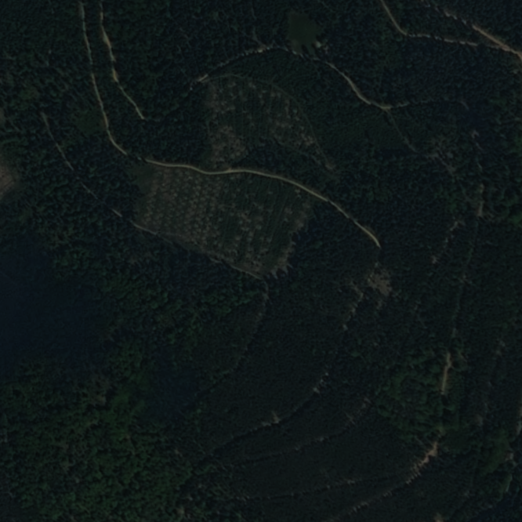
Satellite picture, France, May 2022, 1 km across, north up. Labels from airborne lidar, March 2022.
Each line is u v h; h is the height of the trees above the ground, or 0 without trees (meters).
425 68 32
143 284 21
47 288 12
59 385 16
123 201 23
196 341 15
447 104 29
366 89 31
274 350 19
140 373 19
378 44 29
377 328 24
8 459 17
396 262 23
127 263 20
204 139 11
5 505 17
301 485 16
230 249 0
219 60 12
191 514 26
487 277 25
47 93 21
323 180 5
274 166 31
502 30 7
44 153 9
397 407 29
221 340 22
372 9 12
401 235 25
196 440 26
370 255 24
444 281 17
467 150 10
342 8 10
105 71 13
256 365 22
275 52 12
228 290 25
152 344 23
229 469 26
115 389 22
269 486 18
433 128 10
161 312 27
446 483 22
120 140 20
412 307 21
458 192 30
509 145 34
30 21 14
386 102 13
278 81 8
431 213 23
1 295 0
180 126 10
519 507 21
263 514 21
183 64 21
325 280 21
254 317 20
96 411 20
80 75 11
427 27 7
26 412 23
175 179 0
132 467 26
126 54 21
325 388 25
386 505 20
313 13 12
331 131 8
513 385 25
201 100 12
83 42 8
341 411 24
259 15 17
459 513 19
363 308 26
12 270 0
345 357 25
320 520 19
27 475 20
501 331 18
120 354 28
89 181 32
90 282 24
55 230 24
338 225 24
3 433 21
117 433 25
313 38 0
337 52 8
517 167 39
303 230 9
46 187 23
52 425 25
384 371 26
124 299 30
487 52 29
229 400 23
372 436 23
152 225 0
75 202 23
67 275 8
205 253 0
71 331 13
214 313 19
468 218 29
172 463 26
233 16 17
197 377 19
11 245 22
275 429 15
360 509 15
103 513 22
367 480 18
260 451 21
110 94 14
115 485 25
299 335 22
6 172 0
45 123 9
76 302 11
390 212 23
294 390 20
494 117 25
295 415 18
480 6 33
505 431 20
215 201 0
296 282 22
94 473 22
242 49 15
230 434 14
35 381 10
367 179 29
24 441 23
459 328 25
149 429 19
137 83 20
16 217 21
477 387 27
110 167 31
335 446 15
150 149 15
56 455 7
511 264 23
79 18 13
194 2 18
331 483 19
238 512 22
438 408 16
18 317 15
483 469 25
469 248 16
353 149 11
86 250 24
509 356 22
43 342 22
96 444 22
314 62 9
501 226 20
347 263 27
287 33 9
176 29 21
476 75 33
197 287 26
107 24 21
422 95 31
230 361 18
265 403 22
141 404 26
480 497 26
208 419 23
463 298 24
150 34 20
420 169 26
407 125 9
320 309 27
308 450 19
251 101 6
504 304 14
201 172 0
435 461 26
